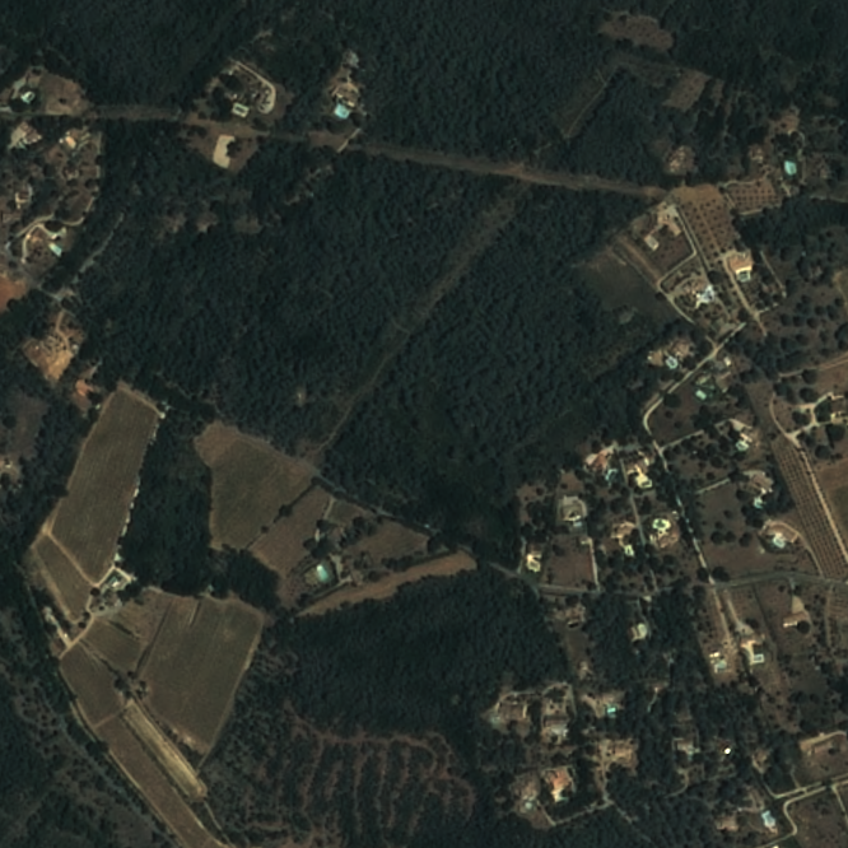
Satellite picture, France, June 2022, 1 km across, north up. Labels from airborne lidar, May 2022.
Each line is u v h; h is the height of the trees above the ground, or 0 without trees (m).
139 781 0
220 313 19
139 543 9
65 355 0
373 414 17
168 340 17
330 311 19
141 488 11
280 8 14
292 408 18
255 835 12
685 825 19
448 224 19
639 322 6
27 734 18
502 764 20
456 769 10
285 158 18
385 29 20
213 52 7
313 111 23
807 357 19
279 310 20
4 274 0
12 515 7
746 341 17
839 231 0
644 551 12
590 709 6
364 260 22
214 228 13
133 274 10
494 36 18
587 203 14
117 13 15
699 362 12
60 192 12
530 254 17
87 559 0
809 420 11
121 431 0
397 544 0
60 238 6
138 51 20
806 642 0
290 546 0
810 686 0
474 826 9
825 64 7
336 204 17
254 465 0
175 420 15
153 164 18
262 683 12
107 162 11
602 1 15
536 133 15
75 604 0
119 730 0
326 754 9
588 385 17
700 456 10
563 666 10
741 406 12
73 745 0
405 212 18
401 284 18
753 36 12
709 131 16
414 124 15
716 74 11
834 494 0
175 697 0
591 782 11
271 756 11
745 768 16
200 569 12
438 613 19
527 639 18
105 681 0
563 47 14
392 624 17
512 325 21
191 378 16
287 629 13
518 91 15
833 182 14
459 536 12
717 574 9
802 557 0
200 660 0
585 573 0
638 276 0
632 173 17
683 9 14
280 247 14
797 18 10
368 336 16
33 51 12
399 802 12
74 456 18
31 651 10
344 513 0
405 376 19
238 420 16
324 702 12
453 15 11
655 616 13
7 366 17
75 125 10
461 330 18
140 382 12
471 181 11
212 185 19
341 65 9
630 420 17
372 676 16
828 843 0
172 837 6
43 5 10
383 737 8
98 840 13
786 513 12
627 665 17
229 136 0
